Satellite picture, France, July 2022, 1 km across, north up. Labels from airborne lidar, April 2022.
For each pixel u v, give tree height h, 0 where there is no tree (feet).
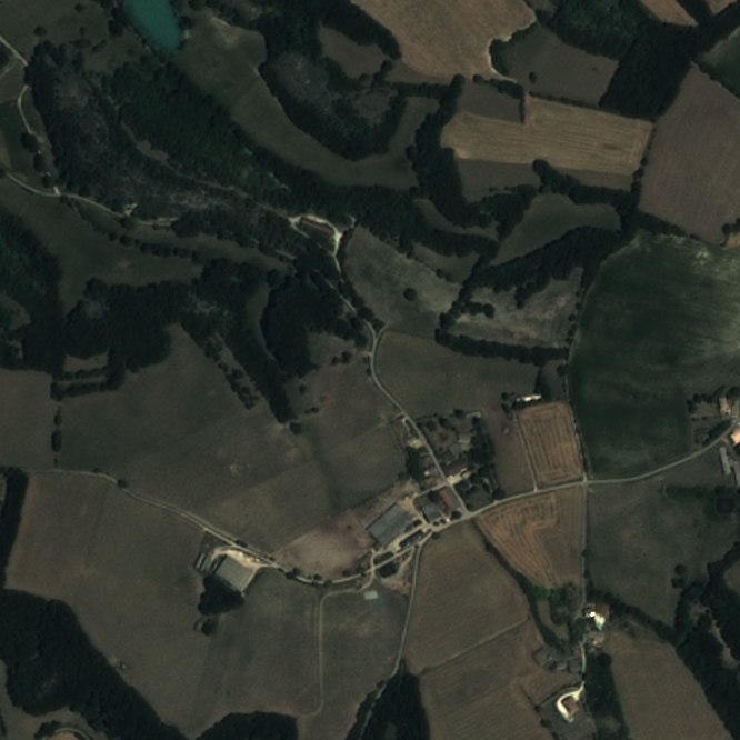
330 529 0
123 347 45
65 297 0
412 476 27
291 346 49
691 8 47
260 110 0
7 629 30
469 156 0
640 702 0
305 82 0
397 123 34
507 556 0
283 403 52
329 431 0
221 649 0
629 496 0
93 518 0
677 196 0
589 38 42
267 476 0
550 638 23
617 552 0
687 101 0
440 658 0
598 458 0
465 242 54
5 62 0
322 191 28
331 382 0
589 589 22
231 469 0
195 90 52
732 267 0
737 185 0
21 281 24
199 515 0
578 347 0
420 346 0
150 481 0
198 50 0
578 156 0
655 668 0
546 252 45
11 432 0
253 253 0
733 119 0
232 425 0
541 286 30
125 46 0
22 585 0
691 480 0
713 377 0
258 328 0
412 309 0
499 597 0
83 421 0
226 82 0
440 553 0
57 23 0
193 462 0
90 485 0
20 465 0
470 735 0
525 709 0
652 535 0
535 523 0
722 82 29
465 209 38
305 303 56
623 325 0
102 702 58
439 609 0
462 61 0
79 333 57
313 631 0
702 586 21
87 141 31
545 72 0
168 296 61
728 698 61
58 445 31
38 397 0
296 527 0
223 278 57
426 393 0
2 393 0
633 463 0
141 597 0
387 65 35
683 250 0
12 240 39
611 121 0
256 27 24
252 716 23
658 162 0
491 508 0
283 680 0
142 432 0
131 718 61
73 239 0
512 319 0
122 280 0
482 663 0
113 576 0
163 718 0
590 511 0
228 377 21
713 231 0
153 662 0
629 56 40
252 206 24
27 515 0
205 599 46
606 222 0
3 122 0
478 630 0
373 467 0
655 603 0
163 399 0
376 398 0
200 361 0
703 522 0
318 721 0
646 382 0
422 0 0
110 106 22
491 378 0
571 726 0
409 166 0
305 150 0
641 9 32
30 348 51
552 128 0
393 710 35
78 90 0
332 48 0
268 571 0
